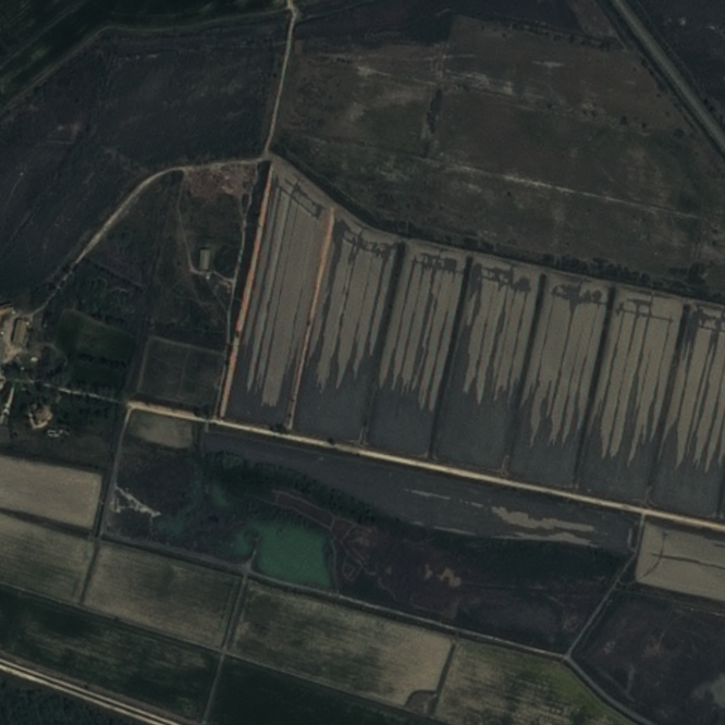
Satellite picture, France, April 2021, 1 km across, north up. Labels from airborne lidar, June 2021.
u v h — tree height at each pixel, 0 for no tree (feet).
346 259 0
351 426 0
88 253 0
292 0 0
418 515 0
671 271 0
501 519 0
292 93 0
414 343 0
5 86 0
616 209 0
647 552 0
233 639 0
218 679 0
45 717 41
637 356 0
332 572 0
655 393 0
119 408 31
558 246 0
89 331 0
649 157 0
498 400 0
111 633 0
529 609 0
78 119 0
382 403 0
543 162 0
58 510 0
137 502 0
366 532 0
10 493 0
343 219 0
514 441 0
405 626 0
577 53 0
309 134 0
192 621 0
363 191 0
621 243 0
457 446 0
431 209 0
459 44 0
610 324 18
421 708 0
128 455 0
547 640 0
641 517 0
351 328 0
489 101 0
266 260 0
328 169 0
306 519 24
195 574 0
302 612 0
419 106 0
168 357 0
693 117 0
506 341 0
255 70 0
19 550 0
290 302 0
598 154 0
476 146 0
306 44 0
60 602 0
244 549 0
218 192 0
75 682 0
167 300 0
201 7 0
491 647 0
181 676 0
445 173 0
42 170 0
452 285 0
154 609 0
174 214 0
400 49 0
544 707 0
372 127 0
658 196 0
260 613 0
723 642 0
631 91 0
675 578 0
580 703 0
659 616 0
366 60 0
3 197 0
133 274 0
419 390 0
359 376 0
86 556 0
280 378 0
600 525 0
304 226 0
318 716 0
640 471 0
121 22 0
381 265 0
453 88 0
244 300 18
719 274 0
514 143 0
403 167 0
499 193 0
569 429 0
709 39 0
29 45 0
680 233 0
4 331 0
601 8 0
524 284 0
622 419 0
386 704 0
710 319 0
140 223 0
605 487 0
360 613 0
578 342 0
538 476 0
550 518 0
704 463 0
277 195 0
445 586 0
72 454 0
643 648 0
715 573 0
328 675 0
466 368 0
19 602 0
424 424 0
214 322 0
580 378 0
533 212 0
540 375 0
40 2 0
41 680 0
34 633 0
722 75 0
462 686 0
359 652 0
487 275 0
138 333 18
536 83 0
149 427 0
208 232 0
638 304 0
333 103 0
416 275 0
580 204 0
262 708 0
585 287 0
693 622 0
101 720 39
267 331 0
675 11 0
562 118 0
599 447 0
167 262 0
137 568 0
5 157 0
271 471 30
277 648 0
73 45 0
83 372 0
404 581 0
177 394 0
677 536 0
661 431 0
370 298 0
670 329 0
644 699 0
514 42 0
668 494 0
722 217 0
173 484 0
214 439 0
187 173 0
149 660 0
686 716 0
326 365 0
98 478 0
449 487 0
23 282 21
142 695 0
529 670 0
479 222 0
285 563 0
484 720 0
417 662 0
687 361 0
